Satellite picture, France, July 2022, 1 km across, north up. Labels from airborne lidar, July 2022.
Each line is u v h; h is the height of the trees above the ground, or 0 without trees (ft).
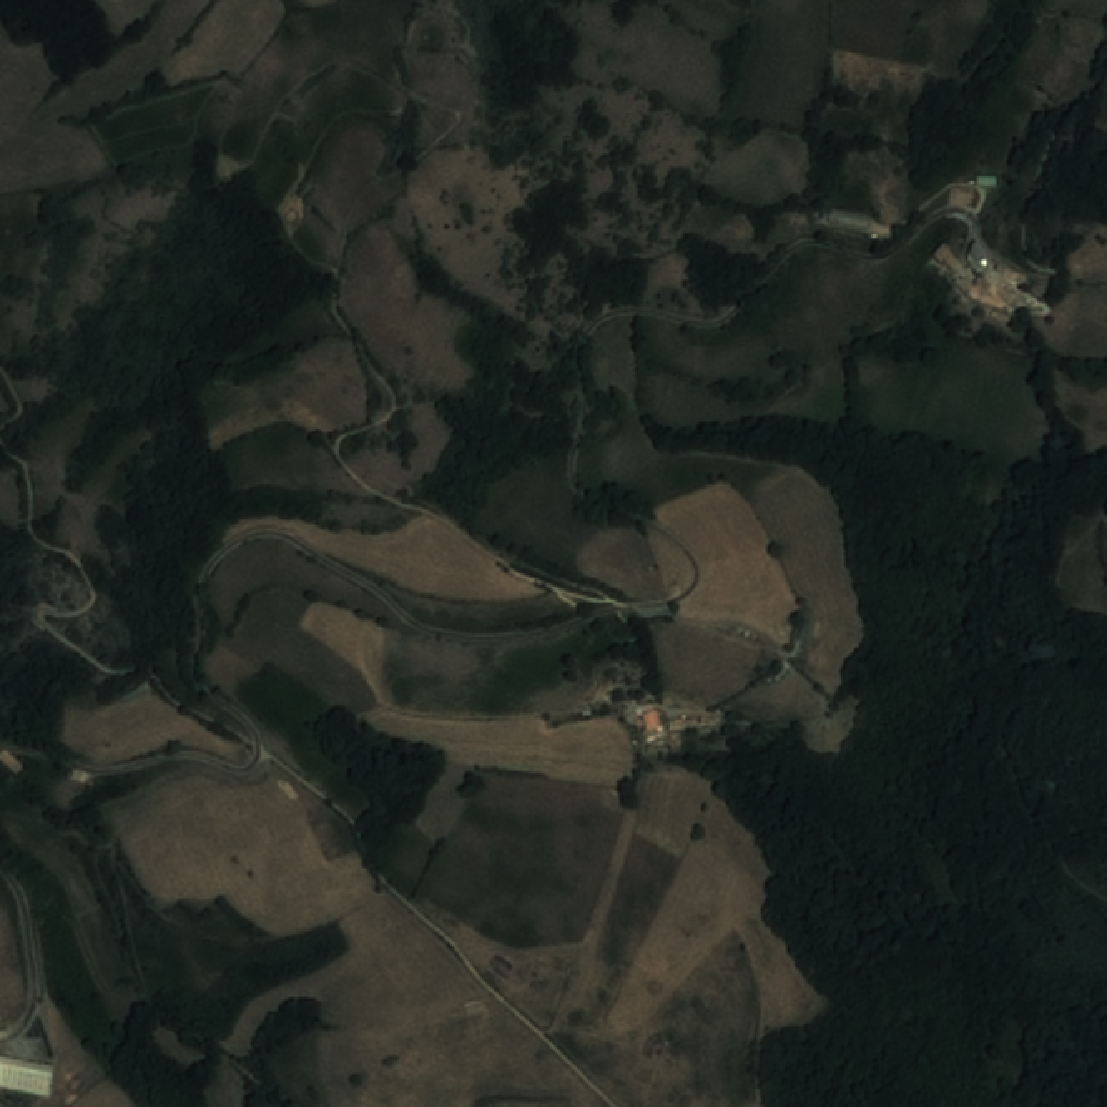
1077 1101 37
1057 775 33
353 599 0
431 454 0
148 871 0
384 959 0
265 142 0
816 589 0
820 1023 31
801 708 0
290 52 0
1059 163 36
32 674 47
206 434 38
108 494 0
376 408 18
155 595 39
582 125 23
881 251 51
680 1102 0
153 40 0
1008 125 0
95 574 31
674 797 0
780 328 0
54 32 49
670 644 0
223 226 22
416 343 0
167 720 0
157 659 30
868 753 63
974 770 43
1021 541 58
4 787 28
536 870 0
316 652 0
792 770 61
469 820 0
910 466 75
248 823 0
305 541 0
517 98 50
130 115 0
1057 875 35
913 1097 69
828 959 68
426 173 0
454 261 0
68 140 0
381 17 0
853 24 0
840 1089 89
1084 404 0
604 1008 0
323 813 0
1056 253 41
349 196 0
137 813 0
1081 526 0
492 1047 0
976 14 0
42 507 0
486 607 0
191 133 0
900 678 61
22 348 0
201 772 0
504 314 24
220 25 0
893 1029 58
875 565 81
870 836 66
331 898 0
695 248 46
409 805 54
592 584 21
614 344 0
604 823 0
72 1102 0
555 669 0
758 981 0
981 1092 63
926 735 44
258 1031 29
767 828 68
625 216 28
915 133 39
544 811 0
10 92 0
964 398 0
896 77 0
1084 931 32
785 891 56
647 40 0
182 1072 39
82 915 0
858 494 64
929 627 70
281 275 79
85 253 0
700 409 0
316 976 0
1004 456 0
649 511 29
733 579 0
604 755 0
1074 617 37
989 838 51
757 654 0
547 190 33
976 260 0
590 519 40
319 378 0
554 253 42
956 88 54
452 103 0
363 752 63
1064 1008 34
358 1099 0
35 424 22
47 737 43
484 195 0
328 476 0
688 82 0
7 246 0
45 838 0
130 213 0
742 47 29
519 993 0
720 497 0
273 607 0
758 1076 23
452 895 0
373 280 0
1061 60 0
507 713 0
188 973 0
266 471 0
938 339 0
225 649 0
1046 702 32
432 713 0
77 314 20
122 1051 51
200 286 18
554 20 73
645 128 25
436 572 0
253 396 0
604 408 32
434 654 0
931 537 76
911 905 89
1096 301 0
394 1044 0
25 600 40
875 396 0
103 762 0
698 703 0
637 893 0
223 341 51
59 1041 0
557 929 0
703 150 24
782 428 32
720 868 0
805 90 0
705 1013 0
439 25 0
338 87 0
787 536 0
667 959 0
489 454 63
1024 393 0
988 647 96
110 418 25
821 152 28
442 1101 0
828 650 0
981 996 52
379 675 0
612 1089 0
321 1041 0
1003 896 30
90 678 20
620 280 46
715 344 0
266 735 0
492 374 44
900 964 60
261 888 0
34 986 0
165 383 58
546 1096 0
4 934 0
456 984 0
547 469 0
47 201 19
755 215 42
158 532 63
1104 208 39
